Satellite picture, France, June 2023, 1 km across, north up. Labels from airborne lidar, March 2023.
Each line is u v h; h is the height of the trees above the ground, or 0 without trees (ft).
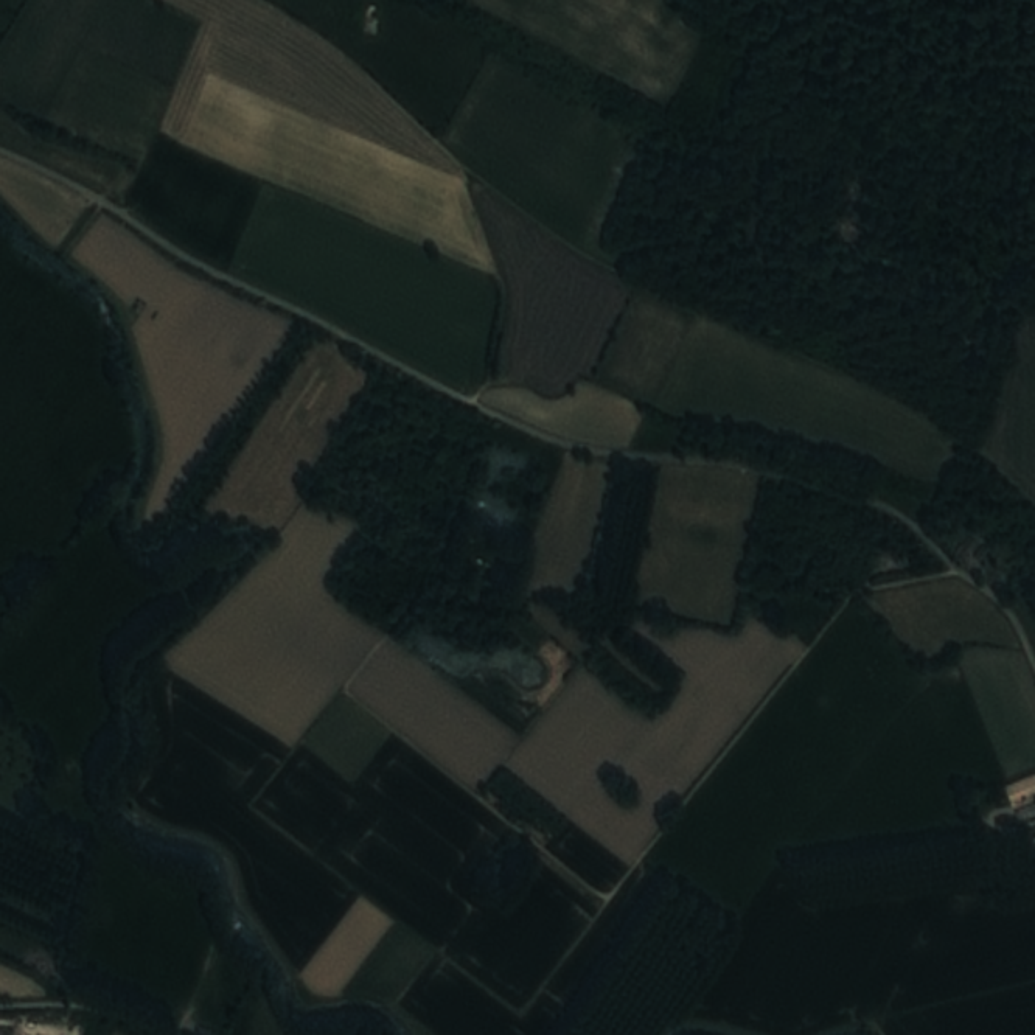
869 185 72
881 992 0
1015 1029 0
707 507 0
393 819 0
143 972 0
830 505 45
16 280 0
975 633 0
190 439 0
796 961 0
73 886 111
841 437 0
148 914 0
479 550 0
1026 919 0
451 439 20
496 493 50
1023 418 0
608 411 0
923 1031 0
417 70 0
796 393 0
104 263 0
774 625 84
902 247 76
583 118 0
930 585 0
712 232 67
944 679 0
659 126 47
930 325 110
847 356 25
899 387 59
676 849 0
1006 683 0
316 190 0
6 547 0
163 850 104
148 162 0
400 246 0
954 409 76
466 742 0
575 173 0
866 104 80
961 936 0
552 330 0
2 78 0
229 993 0
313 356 0
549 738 0
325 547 0
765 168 79
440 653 0
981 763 0
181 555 133
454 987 0
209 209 0
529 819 25
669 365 0
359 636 0
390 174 0
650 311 0
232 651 0
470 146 0
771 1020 0
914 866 81
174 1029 103
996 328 85
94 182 0
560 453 0
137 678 63
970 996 0
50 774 61
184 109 0
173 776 0
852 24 97
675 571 0
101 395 0
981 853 88
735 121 70
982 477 29
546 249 0
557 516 0
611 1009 94
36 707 0
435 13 49
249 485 0
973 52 80
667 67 0
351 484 60
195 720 0
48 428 0
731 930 89
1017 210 92
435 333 0
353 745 0
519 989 0
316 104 0
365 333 0
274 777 0
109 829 105
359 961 0
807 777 0
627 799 63
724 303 54
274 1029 0
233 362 0
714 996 0
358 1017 63
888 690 0
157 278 0
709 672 0
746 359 0
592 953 0
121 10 0
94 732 0
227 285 22
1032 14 77
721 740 0
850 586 37
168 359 0
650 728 0
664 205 74
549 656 0
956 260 69
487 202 0
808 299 60
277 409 0
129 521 28
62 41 0
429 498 32
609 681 45
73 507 0
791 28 89
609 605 84
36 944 0
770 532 31
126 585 0
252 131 0
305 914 0
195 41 0
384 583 40
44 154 0
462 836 0
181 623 56
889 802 0
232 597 0
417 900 0
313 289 0
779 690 0
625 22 0
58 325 0
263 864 0
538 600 53
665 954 96
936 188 49
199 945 0
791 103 90
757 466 39
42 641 0
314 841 0
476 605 67
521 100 0
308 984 0
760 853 0
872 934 0
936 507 31
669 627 86
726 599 0
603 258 0
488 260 0
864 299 79
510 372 0
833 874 83
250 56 0
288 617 0
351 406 29
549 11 0
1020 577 21
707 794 0
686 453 27
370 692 0
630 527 97
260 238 0
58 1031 0
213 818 0
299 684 0
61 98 0
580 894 0
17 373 0
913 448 0
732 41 57
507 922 0
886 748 0
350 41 0
